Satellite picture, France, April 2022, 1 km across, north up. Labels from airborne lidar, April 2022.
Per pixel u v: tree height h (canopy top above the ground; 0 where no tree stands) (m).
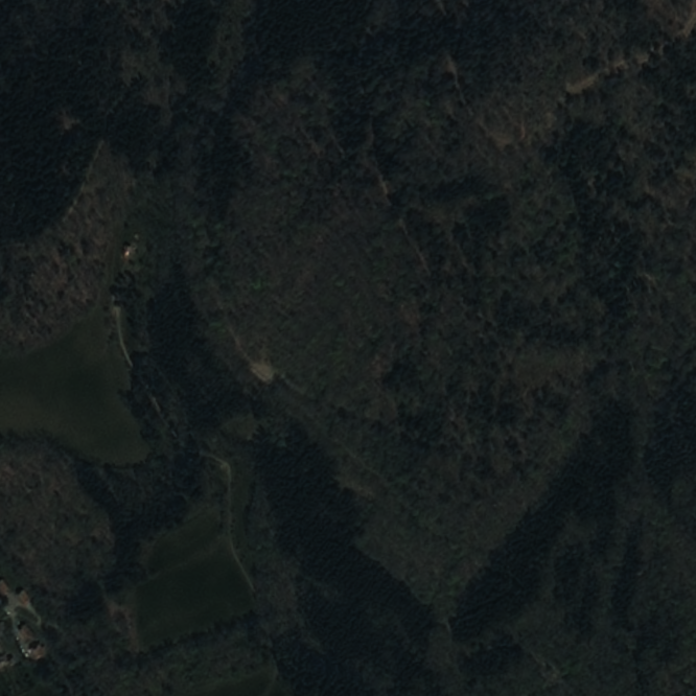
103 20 27
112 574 22
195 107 34
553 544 25
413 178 23
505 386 12
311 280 30
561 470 24
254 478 15
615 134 25
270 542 32
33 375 0
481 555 29
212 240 25
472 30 25
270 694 0
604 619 28
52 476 24
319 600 28
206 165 26
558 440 26
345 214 32
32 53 22
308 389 26
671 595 24
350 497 22
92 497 22
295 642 29
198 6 34
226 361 15
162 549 0
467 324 23
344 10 23
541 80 22
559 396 14
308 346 25
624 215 16
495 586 29
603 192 31
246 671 22
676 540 22
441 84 19
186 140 26
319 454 23
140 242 0
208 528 0
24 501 23
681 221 32
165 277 22
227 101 31
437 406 25
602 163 30
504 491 30
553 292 8
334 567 24
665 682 23
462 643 24
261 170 26
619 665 17
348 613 24
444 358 28
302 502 25
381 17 27
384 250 32
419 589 23
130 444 0
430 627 19
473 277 16
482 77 17
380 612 19
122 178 18
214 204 26
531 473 19
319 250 30
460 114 22
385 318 28
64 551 25
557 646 20
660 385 30
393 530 25
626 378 33
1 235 22
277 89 29
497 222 19
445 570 26
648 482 31
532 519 26
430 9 28
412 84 25
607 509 29
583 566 21
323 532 28
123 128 33
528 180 15
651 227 10
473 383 10
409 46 32
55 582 30
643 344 34
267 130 31
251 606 0
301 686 32
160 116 24
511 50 24
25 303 26
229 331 23
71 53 24
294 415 18
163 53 25
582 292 28
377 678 28
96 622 15
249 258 28
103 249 10
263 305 28
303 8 27
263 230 23
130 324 0
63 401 0
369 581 25
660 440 26
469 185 21
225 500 19
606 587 25
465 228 14
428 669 14
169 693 23
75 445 0
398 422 18
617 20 18
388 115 15
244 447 25
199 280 23
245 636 9
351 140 19
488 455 21
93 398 0
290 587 31
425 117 22
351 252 30
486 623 28
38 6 19
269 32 28
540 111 21
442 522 28
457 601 25
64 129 18
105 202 29
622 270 25
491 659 26
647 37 20
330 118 15
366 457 25
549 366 26
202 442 29
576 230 30
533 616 24
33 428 0
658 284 8
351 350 27
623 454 24
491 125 19
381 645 23
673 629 24
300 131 28
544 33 14
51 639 27
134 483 20
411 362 25
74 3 26
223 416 24
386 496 22
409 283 30
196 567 0
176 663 19
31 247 19
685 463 26
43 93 33
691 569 23
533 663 23
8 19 26
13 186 28
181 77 31
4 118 30
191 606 0
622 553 27
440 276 24
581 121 10
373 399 27
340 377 19
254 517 23
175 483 18
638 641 16
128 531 35
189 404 22
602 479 30
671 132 29
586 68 11
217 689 0
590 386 29
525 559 26
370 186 25
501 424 20
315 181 27
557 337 19
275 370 15
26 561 25
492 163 22
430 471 28
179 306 28
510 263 13
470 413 13
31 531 24
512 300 22
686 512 24
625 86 24
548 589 23
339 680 34
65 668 11
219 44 26
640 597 28
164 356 24
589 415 34
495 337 18
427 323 17
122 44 29
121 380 0
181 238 22
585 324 22
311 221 29
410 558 26
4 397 0
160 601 0
